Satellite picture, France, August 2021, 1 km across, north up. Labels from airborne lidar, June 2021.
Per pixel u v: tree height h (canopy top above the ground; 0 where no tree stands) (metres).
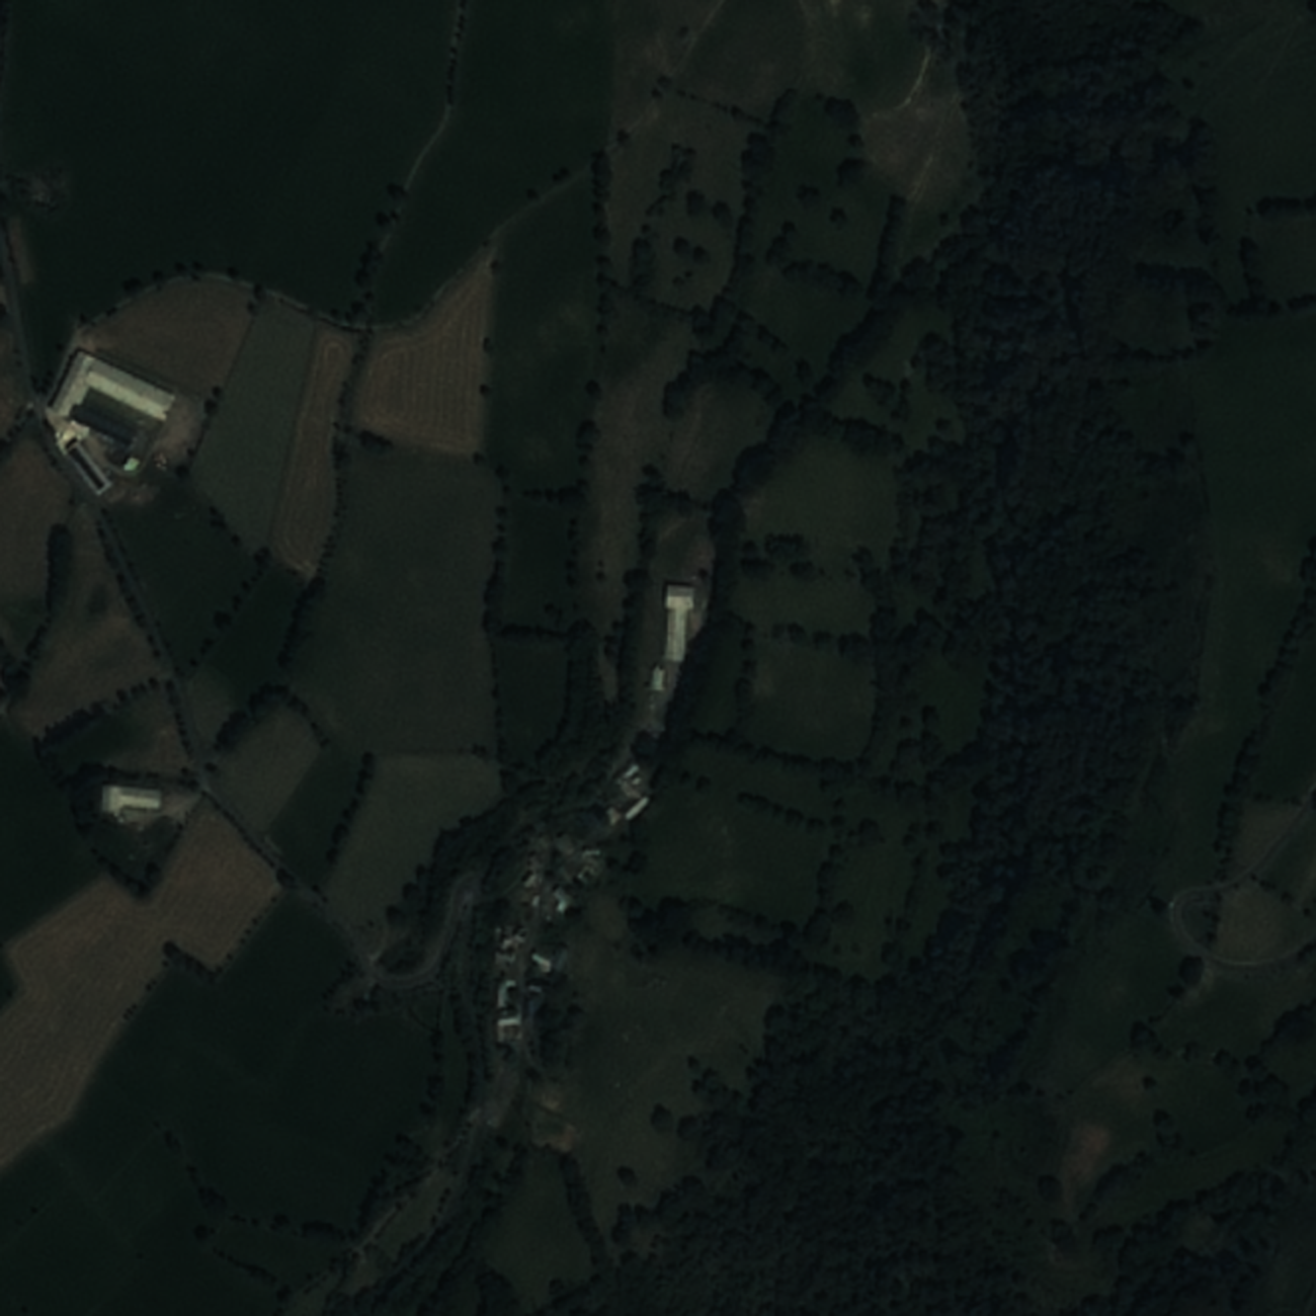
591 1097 0
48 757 12
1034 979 20
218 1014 0
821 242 0
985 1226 6
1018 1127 0
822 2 0
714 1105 11
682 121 0
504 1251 0
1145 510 0
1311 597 12
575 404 0
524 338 0
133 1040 0
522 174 0
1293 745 0
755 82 0
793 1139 29
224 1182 0
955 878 17
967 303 22
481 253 0
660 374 0
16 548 0
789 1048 23
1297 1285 0
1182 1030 0
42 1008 0
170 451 0
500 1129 0
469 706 0
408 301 0
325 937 0
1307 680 0
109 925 0
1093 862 17
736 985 0
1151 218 23
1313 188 0
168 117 0
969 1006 19
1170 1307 12
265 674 0
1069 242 28
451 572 0
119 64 0
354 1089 0
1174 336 0
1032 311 24
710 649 19
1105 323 20
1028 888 24
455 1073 0
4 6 18
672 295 0
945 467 27
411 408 0
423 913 8
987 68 22
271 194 0
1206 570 0
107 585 0
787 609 0
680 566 0
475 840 12
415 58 0
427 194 0
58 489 0
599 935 0
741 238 13
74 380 0
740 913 8
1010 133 25
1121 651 24
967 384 25
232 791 0
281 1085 0
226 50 0
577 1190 16
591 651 12
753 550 13
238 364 0
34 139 0
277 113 0
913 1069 9
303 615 13
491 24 0
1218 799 0
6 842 0
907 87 0
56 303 0
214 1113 0
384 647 0
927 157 0
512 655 0
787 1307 14
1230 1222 9
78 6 0
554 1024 15
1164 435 0
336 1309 10
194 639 0
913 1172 14
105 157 0
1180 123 15
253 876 0
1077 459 23
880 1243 20
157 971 0
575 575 10
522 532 0
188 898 0
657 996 0
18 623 0
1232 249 0
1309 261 0
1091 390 19
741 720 7
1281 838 0
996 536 6
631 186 0
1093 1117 0
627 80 0
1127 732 28
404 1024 0
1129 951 0
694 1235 10
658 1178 0
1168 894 0
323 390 0
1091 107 18
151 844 0
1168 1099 0
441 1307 13
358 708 0
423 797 0
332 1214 0
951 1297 13
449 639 0
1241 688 0
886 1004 25
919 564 22
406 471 0
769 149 18
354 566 0
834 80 0
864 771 18
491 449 0
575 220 0
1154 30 20
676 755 16
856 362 21
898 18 0
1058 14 10
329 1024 0
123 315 0
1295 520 0
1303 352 0
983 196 8
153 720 0
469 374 0
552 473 0
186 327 0
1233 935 0
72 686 0
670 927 21
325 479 0
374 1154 0
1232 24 0
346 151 0
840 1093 33
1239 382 0
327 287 0
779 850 0
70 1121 0
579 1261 0
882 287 18
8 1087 0
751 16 0
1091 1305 16
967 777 20
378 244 8
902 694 17
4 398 0
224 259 0
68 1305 0
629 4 0
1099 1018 0
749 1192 8
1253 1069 15
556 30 0
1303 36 0
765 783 0
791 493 0
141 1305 0
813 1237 17
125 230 0
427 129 0
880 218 0
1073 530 21
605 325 7
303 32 0
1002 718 20
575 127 0
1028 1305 14
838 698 0
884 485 0
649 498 17
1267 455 0
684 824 0
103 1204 0
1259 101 0
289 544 0
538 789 8
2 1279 0
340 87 0
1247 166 0
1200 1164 0
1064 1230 10
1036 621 21
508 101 0
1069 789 27
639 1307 12
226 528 15
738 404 0
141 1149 0
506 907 13
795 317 0
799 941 22
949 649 18
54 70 0
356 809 9
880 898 0
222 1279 0
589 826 7
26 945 0
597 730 11
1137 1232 14
